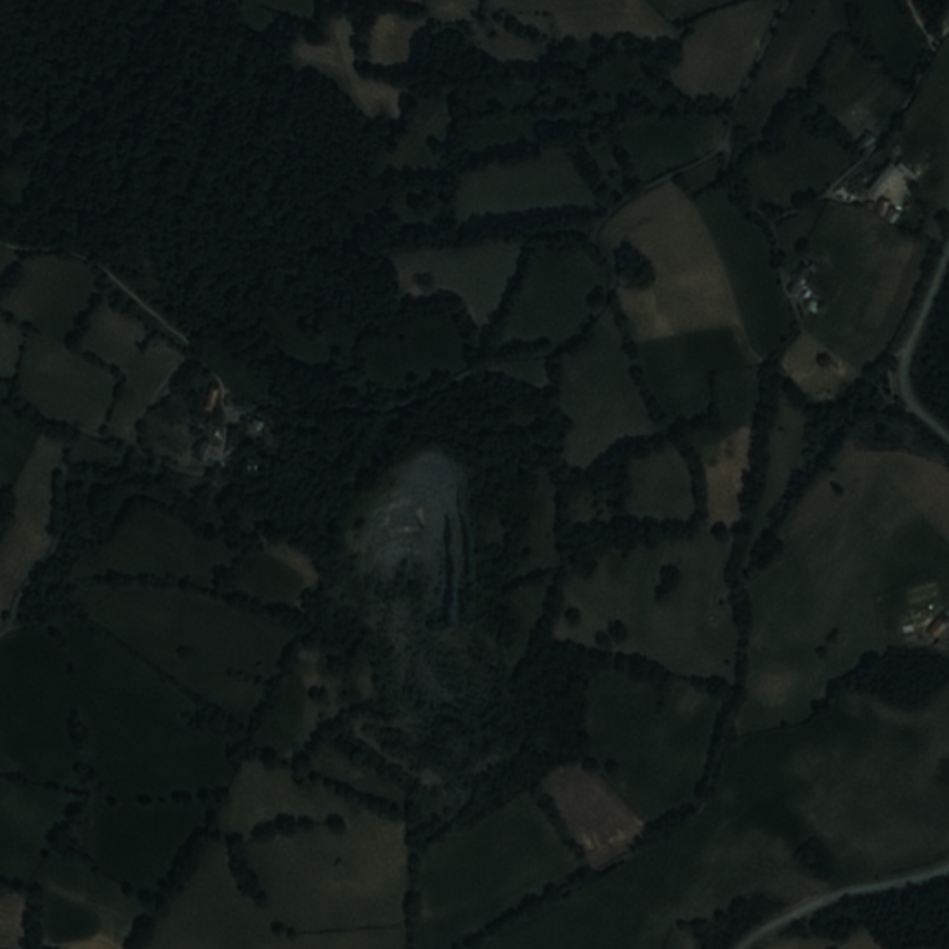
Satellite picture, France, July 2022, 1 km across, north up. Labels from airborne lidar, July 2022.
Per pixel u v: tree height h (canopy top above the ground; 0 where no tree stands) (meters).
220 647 0
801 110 16
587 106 13
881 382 11
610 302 12
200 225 19
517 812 0
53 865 0
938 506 0
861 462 0
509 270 0
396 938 0
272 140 20
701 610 0
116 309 12
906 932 25
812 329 0
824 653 12
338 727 15
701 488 22
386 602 6
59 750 0
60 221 21
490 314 0
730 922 9
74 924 0
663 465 0
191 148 11
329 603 7
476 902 0
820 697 0
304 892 0
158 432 0
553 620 15
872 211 0
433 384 14
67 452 9
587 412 0
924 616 0
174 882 21
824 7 0
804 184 0
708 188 7
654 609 0
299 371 25
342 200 25
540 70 14
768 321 0
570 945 0
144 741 0
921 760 0
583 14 0
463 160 17
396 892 0
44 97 9
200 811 0
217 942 0
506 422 13
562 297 0
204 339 17
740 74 0
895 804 0
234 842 18
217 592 9
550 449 21
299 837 0
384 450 6
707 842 0
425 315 17
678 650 0
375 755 12
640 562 0
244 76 24
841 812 0
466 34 23
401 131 23
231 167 20
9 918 0
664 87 20
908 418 15
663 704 7
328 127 13
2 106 10
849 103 0
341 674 15
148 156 25
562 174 0
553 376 14
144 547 0
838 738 0
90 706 0
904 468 0
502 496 11
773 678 0
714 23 0
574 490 18
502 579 16
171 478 9
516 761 10
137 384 0
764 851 0
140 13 31
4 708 0
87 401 0
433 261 0
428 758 7
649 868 0
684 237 0
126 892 16
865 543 0
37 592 13
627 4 0
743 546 9
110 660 0
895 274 0
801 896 0
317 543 21
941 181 0
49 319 0
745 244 0
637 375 15
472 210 0
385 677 7
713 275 0
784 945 0
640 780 0
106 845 0
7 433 0
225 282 21
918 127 0
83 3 22
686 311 0
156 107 16
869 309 0
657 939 0
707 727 0
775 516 7
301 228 19
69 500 8
